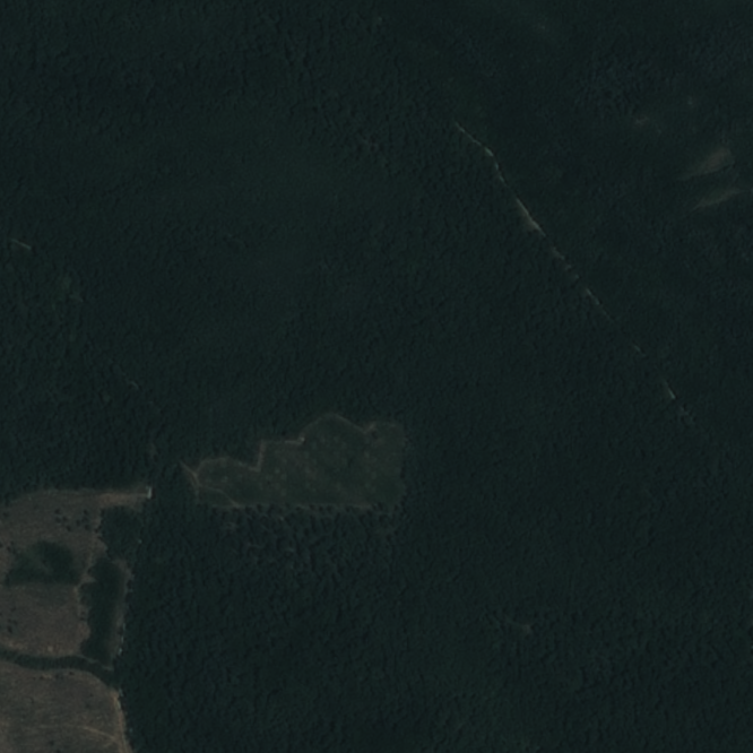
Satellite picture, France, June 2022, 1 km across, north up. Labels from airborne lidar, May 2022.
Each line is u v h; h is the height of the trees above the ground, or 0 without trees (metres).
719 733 18
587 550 18
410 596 14
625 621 21
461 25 19
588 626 21
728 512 15
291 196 7
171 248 22
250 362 20
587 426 20
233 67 16
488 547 17
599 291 16
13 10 15
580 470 21
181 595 23
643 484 21
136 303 23
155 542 13
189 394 19
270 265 7
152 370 15
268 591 22
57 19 14
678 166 11
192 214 17
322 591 19
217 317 10
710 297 19
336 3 22
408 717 27
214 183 9
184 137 12
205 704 12
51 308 18
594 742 15
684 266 20
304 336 24
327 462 0
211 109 16
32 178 24
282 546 20
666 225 19
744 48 22
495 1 7
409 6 21
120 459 9
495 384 15
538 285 15
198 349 7
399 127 16
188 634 27
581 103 18
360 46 17
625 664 22
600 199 19
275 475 0
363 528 16
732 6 6
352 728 26
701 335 17
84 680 0
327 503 0
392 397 15
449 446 16
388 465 0
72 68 27
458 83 21
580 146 15
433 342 18
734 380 17
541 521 12
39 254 21
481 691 11
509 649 20
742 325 17
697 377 18
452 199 20
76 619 0
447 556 16
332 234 20
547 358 20
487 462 16
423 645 14
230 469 0
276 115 11
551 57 10
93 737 0
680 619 14
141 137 15
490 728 9
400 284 20
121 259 25
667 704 19
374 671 15
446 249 8
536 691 16
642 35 13
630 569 16
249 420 14
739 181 16
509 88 18
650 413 22
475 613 16
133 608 20
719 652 22
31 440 19
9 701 0
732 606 18
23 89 21
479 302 16
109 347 19
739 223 15
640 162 9
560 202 16
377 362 17
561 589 12
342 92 27
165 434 20
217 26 11
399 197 14
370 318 17
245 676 7
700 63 22
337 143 11
